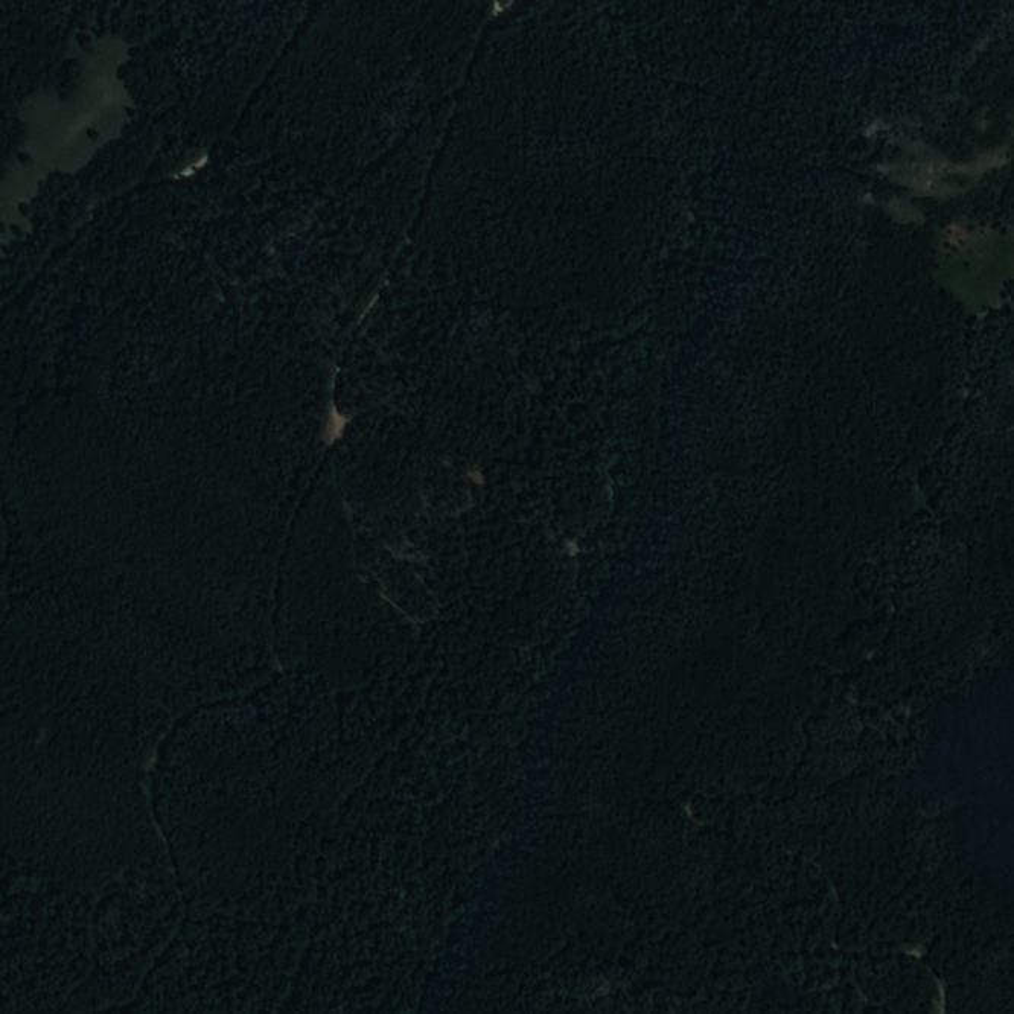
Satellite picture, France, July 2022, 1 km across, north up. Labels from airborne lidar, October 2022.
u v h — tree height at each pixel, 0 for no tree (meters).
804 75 21
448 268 19
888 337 10
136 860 18
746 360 15
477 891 15
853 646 20
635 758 16
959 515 18
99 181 24
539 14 24
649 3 20
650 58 25
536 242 15
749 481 17
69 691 20
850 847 15
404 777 18
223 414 24
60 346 7
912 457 18
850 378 16
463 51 24
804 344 14
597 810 11
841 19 22
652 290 17
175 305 27
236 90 29
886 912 17
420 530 17
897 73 14
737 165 16
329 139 28
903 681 20
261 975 24
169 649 28
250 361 24
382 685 20
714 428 18
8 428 24
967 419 13
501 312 24
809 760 15
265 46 22
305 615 18
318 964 15
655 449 20
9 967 23
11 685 24
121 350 22
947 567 21
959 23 19
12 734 19
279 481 15
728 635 12
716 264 19
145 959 20
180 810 20
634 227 17
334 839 17
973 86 9
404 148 23
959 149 8
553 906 18
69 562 22
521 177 22
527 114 23
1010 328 18
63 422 21
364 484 20
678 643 10
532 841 17
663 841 13
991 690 17
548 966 14
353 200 13
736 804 20
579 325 25
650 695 12
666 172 17
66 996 23
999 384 14
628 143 19
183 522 20
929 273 16
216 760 18
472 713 21
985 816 23
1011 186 8
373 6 23
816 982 29
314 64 20
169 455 18
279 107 25
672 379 9
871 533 14
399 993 19
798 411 14
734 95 19
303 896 18
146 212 27
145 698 20
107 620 24
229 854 22
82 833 18
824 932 21
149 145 27
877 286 11
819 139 16
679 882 13
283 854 22
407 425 26
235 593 19
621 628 14
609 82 26
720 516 19
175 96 19
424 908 26
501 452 25
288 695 22
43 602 28
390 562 16
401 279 17
